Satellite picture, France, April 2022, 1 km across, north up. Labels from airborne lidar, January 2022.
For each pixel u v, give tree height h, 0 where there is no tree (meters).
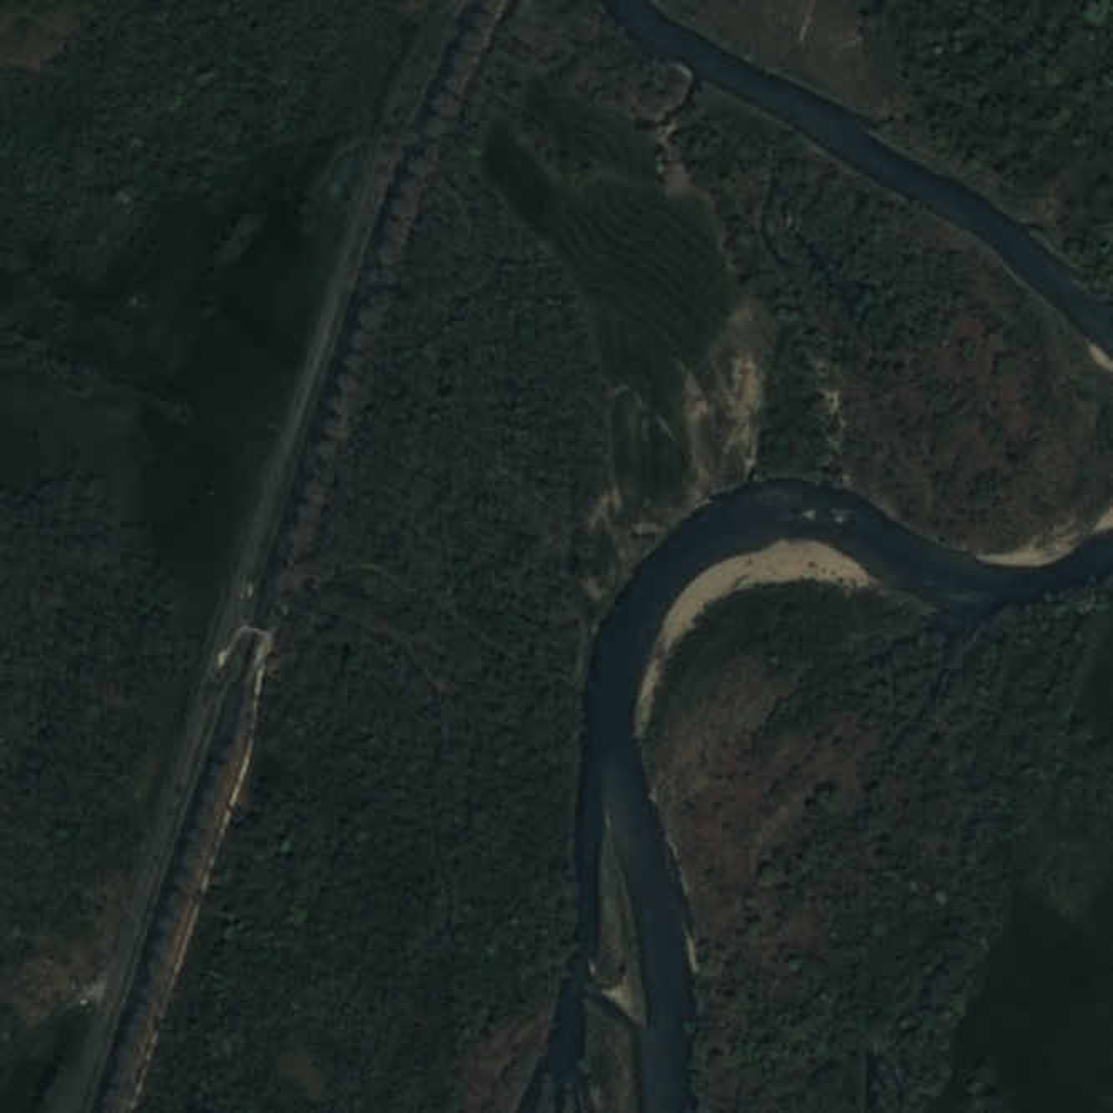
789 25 0
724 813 8
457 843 9
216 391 0
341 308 0
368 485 22
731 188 16
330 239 0
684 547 0
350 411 31
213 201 12
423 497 18
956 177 0
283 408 0
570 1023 0
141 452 0
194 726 0
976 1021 0
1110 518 0
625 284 0
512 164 0
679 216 0
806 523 0
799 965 10
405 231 29
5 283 0
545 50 14
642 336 0
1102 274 9
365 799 16
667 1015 0
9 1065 0
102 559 35
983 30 12
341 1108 16
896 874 8
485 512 20
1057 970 0
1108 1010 0
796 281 15
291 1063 0
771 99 0
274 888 23
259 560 0
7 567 20
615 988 0
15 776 24
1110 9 15
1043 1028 0
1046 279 0
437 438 16
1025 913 0
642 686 0
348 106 0
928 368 11
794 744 0
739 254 13
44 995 15
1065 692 16
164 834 0
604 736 0
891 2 0
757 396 0
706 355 0
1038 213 0
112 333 0
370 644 21
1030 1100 0
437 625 20
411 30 15
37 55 0
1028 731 20
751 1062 12
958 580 0
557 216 0
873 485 0
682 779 0
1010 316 0
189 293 0
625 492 0
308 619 24
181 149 17
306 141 0
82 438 0
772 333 0
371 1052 19
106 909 19
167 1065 21
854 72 0
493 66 22
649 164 0
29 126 6
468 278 21
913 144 0
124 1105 30
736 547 0
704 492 0
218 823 29
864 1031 11
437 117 12
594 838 0
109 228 15
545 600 17
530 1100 0
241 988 24
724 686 0
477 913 15
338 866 11
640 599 0
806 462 16
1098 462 0
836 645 6
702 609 0
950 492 9
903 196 0
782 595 5
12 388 0
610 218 0
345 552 16
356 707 15
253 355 0
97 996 0
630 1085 0
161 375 0
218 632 0
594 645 0
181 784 0
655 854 0
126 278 0
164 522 0
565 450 19
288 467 0
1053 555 0
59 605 37
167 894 0
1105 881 0
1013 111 21
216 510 0
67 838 29
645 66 9
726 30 0
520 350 21
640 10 0
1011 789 20
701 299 0
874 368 10
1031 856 0
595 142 0
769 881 18
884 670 8
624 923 0
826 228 13
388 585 0
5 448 0
